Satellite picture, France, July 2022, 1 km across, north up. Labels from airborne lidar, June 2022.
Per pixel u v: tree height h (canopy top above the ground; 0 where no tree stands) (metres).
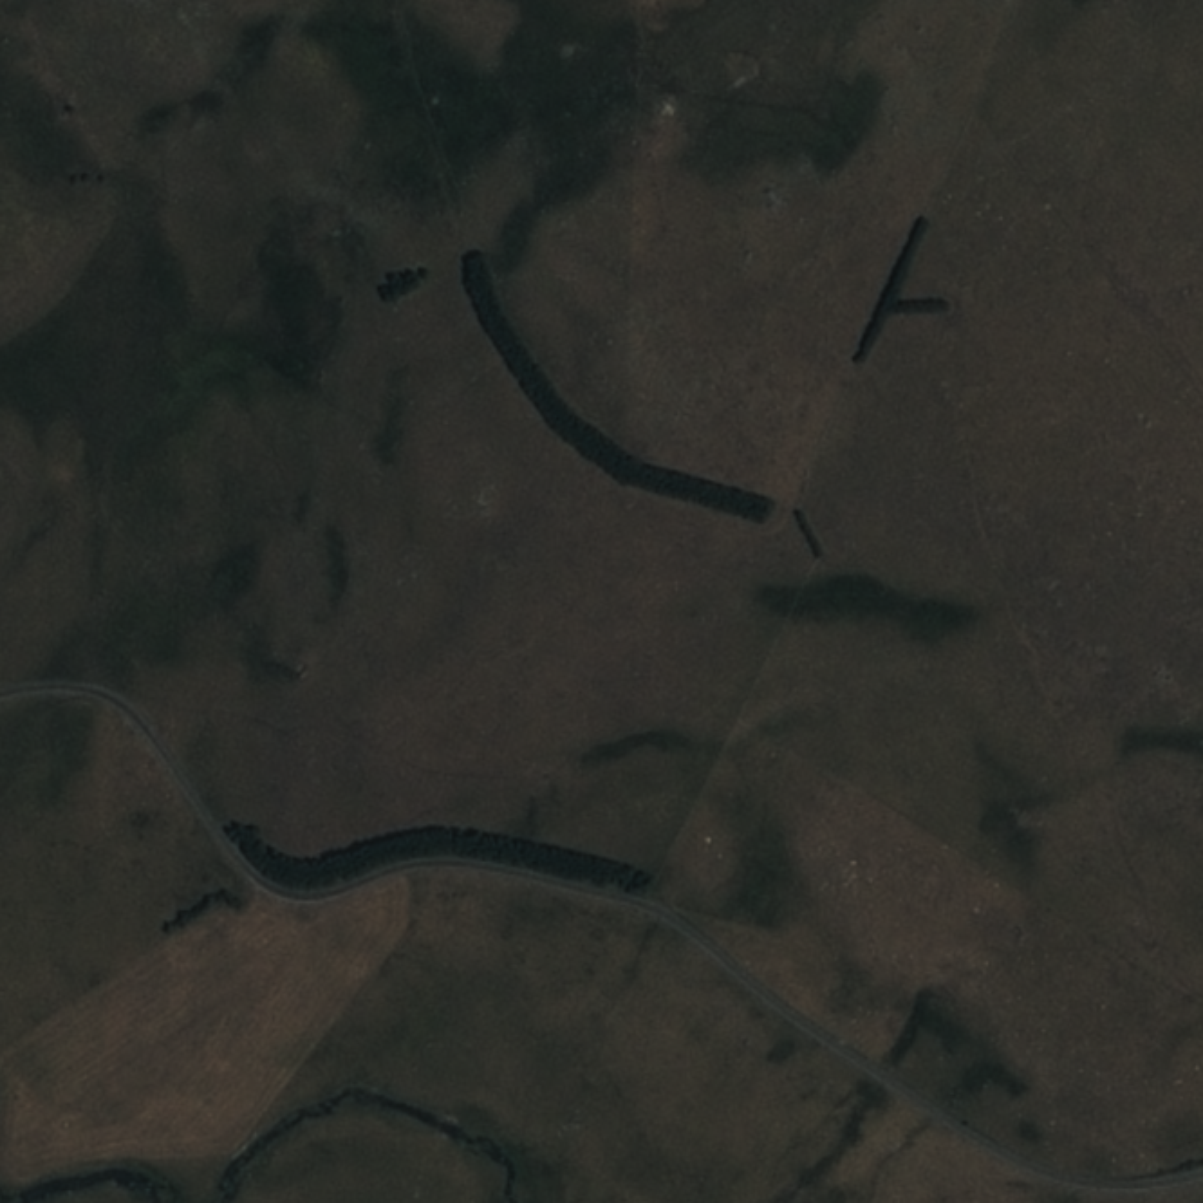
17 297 0
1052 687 0
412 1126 0
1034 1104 0
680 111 0
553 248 0
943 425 0
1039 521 0
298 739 0
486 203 0
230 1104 0
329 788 0
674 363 0
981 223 0
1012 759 0
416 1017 0
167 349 0
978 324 0
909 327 0
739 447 0
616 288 0
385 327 0
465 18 0
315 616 0
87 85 0
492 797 0
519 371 19
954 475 0
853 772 0
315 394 0
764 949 0
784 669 0
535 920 0
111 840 0
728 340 0
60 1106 0
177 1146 0
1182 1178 0
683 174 0
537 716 0
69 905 0
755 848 0
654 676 0
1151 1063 0
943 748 0
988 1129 0
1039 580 0
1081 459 0
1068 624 0
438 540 0
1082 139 0
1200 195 0
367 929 0
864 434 0
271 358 0
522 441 0
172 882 0
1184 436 0
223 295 0
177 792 0
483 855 17
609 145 0
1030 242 0
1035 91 0
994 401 0
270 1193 0
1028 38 0
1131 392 0
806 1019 0
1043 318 0
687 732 0
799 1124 0
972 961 0
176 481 0
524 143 0
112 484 0
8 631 0
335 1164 0
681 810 0
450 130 0
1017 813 0
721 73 0
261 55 0
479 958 0
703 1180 0
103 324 0
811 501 0
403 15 0
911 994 0
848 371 0
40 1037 0
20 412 0
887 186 0
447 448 0
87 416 0
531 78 0
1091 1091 0
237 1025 0
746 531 0
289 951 0
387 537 0
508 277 0
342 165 0
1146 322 0
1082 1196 0
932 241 0
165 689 0
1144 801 0
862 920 0
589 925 0
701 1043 0
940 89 0
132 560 0
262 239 0
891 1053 0
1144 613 0
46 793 0
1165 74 0
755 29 0
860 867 0
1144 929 0
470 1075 0
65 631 0
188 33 0
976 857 0
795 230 0
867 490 0
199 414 0
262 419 0
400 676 0
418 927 0
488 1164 0
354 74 0
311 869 19
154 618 0
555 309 0
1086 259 0
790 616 0
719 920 0
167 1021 0
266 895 0
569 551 0
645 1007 0
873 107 0
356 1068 0
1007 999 0
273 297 0
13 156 0
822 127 0
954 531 0
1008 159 0
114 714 0
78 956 0
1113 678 0
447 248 0
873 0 0
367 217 0
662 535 0
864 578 0
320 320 0
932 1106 0
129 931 0
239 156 0
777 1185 0
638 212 0
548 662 0
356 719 0
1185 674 0
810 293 0
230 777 0
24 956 0
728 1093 0
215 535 0
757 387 0
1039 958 0
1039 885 0
